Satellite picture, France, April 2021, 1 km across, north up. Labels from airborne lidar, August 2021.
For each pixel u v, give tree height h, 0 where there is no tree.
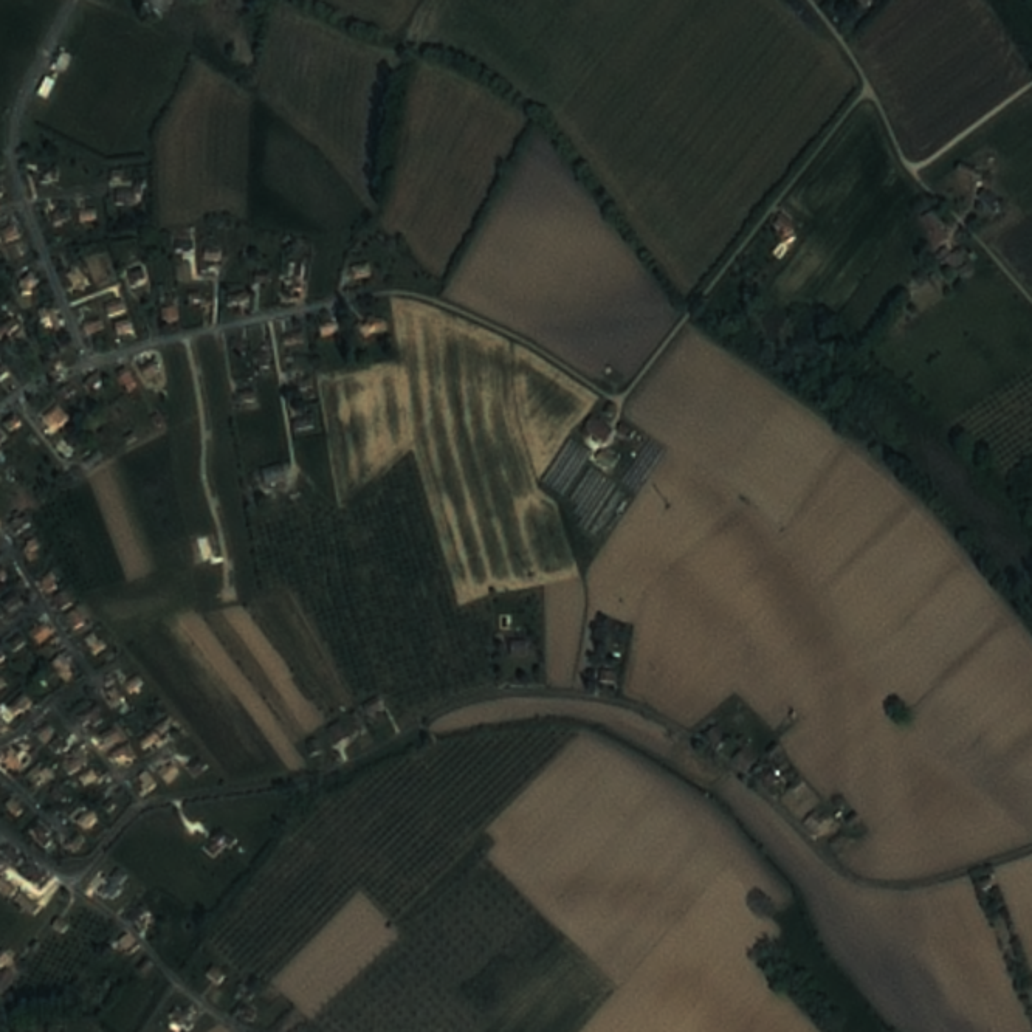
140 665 0
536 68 0
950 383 0
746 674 0
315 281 0
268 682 0
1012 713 0
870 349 16
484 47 0
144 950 0
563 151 16
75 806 0
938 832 0
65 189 0
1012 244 0
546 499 0
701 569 0
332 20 16
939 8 0
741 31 0
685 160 0
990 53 0
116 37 0
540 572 0
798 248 0
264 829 0
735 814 9
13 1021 16
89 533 0
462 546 0
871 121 0
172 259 6
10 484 0
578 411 0
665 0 0
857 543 0
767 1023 0
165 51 0
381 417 0
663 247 0
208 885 0
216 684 0
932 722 0
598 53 0
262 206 0
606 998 0
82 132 0
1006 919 8
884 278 0
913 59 0
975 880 6
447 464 0
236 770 0
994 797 0
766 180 0
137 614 0
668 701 0
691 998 0
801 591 0
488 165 0
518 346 0
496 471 0
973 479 0
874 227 0
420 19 0
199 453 0
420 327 0
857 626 0
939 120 0
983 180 7
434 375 0
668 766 0
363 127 0
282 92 0
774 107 0
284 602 0
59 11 0
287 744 0
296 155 0
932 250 14
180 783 0
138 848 0
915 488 23
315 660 0
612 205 14
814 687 0
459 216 0
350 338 11
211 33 0
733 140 0
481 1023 12
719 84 0
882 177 0
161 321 10
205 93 0
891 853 0
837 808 9
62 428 6
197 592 0
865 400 11
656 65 0
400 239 12
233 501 0
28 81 0
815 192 0
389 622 5
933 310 0
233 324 0
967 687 0
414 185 0
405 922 0
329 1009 9
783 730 0
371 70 0
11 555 0
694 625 0
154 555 0
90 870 0
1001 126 0
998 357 0
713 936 0
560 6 0
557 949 0
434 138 0
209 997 0
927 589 0
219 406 0
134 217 6
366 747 0
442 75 0
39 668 9
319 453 0
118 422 0
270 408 0
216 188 0
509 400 0
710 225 0
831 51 0
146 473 0
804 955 0
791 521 0
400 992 10
